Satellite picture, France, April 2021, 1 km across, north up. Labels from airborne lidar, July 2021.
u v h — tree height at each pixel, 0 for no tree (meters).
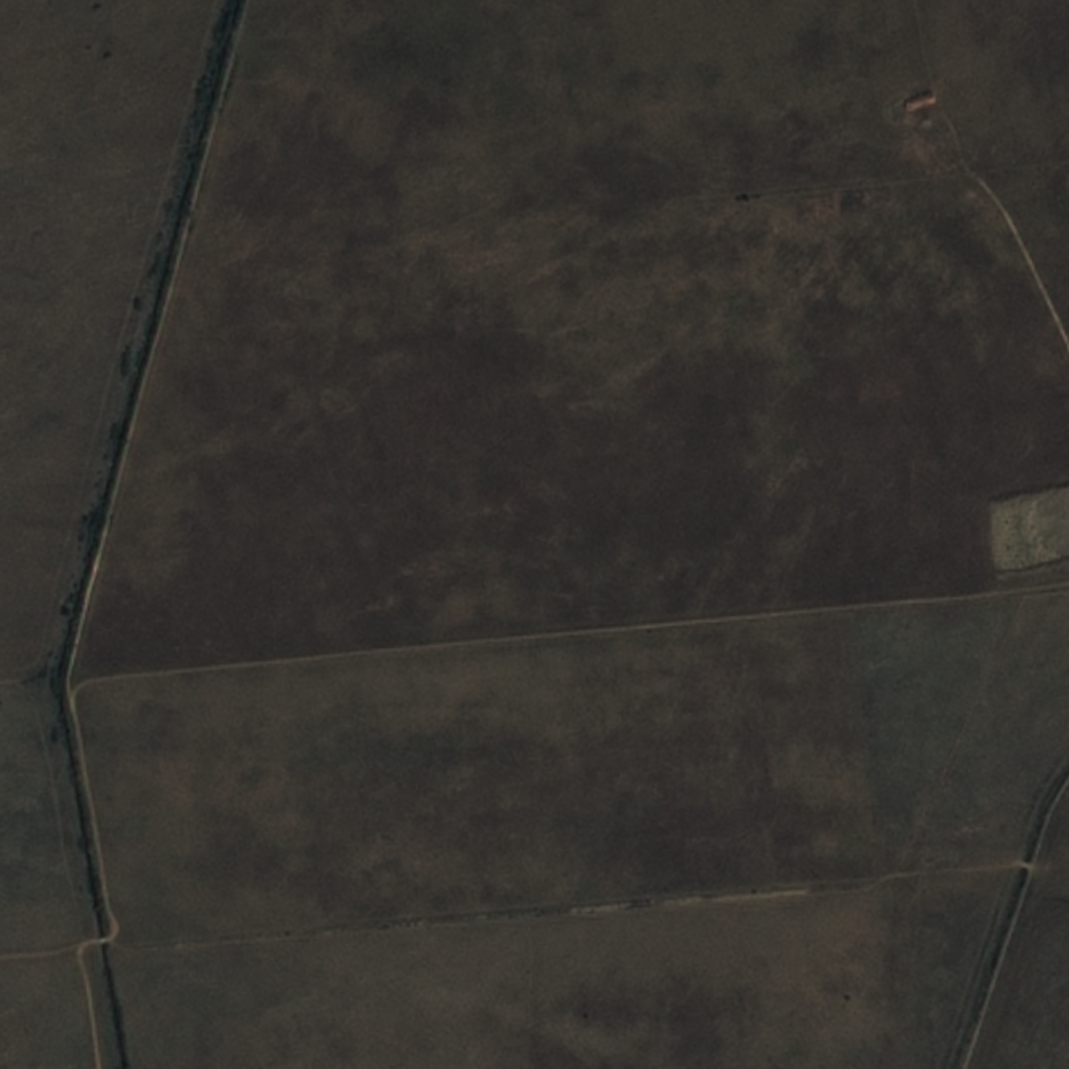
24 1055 0
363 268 0
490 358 0
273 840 0
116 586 0
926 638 0
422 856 0
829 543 0
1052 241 0
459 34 0
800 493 0
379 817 0
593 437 0
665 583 0
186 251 0
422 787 0
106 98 0
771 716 0
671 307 0
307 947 0
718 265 0
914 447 0
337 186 0
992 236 0
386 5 0
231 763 0
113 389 0
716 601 0
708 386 0
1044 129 0
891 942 0
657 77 0
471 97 0
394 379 0
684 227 0
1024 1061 0
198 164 7
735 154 0
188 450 0
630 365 0
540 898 0
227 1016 0
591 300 0
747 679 0
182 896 0
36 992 0
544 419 0
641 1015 0
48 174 0
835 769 0
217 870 0
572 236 0
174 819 0
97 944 0
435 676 0
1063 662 0
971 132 0
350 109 0
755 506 0
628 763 0
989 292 0
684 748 0
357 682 0
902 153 0
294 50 0
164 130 0
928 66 0
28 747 0
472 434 0
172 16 0
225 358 0
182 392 0
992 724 0
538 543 0
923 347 0
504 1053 0
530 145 0
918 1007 0
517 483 0
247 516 0
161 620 0
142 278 0
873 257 0
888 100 0
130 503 0
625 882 0
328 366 0
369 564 0
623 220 0
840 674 0
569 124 0
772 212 0
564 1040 0
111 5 0
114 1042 0
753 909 0
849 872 0
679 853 0
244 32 0
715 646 0
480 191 0
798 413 0
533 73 0
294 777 0
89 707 0
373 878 0
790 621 0
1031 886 0
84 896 0
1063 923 0
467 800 0
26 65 0
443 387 0
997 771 0
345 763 0
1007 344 0
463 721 0
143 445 0
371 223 0
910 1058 0
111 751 0
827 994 0
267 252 0
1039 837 0
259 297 0
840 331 0
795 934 0
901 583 0
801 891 0
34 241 0
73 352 0
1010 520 0
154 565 0
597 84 0
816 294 0
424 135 0
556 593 0
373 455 0
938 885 0
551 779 0
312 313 0
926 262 0
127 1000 0
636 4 0
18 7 0
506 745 0
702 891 0
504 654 0
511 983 0
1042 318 0
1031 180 0
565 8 0
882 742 0
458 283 0
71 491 0
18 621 0
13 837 0
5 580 0
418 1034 0
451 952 0
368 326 0
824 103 0
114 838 0
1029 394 0
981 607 0
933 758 0
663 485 0
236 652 0
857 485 0
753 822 0
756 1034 0
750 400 0
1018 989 0
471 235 0
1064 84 0
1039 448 0
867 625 0
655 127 0
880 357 0
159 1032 0
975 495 0
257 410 0
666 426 0
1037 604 0
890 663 0
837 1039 0
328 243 0
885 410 0
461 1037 0
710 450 0
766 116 0
